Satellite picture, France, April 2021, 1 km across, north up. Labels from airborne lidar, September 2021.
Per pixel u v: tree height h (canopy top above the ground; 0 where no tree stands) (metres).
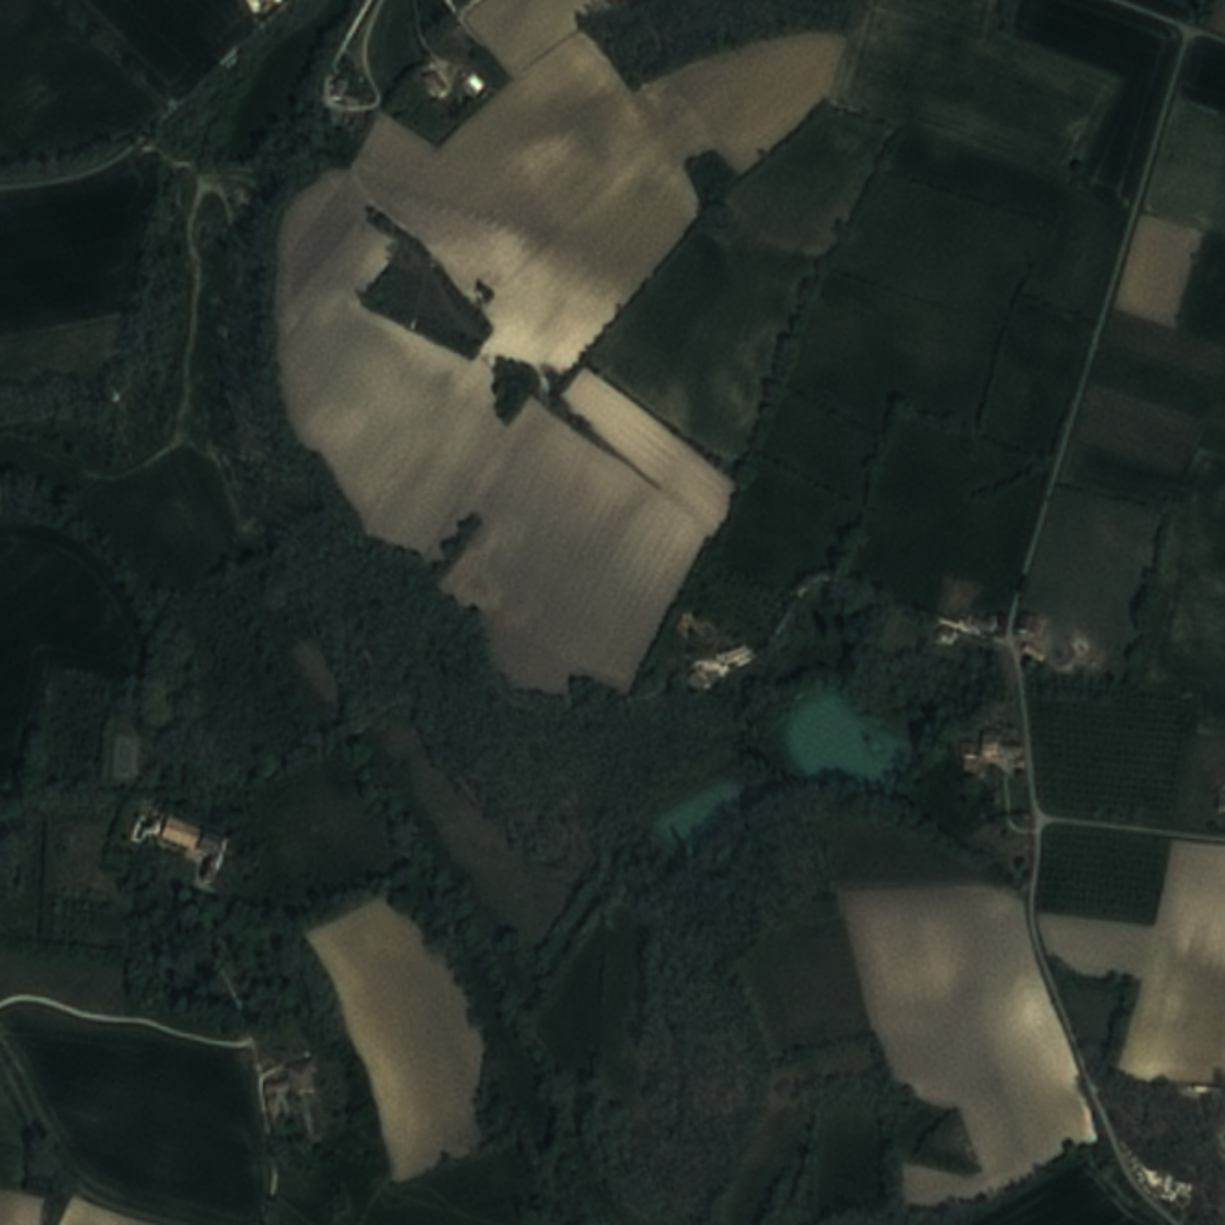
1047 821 0
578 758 16
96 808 21
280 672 15
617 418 0
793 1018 0
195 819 14
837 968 0
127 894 16
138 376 22
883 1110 19
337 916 19
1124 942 0
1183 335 0
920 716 16
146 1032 0
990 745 0
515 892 0
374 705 25
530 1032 14
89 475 0
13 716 0
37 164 16
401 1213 0
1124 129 0
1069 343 0
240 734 9
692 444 8
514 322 0
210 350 0
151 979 9
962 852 16
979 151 0
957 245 0
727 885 24
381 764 7
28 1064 0
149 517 0
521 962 19
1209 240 0
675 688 12
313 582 26
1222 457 0
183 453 0
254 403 19
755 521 0
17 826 12
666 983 21
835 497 7
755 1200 0
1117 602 0
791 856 17
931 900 0
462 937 18
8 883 16
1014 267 0
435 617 15
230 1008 10
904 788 14
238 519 0
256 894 8
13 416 20
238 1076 0
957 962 0
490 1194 0
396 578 22
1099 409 0
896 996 0
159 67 0
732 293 0
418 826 10
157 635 18
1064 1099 0
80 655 0
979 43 0
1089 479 0
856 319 0
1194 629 0
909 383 0
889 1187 14
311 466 14
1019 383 0
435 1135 0
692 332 0
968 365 0
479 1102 9
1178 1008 0
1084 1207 0
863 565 0
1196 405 0
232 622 6
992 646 17
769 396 14
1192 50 0
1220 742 0
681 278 0
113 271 0
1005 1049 0
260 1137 0
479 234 0
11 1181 0
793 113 0
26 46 0
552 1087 18
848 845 0
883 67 0
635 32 9
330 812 0
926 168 0
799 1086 10
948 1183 0
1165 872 0
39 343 0
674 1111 6
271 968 15
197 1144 0
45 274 0
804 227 0
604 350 0
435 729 19
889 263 0
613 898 18
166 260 15
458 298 8
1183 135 0
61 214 0
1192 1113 15
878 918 0
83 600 0
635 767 20
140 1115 0
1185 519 0
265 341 17
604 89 0
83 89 0
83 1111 0
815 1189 8
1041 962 0
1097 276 0
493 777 16
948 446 0
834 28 18
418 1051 0
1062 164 0
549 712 15
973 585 0
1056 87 0
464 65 0
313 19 20
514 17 0
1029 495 0
